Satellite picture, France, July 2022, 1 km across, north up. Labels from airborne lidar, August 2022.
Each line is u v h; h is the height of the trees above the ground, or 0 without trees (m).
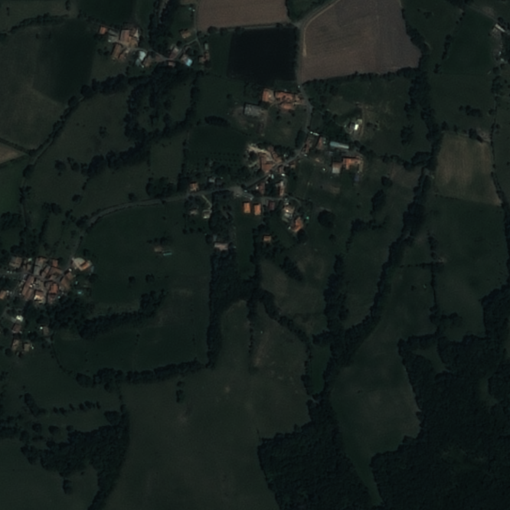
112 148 0
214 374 0
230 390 0
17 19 0
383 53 0
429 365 16
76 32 0
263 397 0
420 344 20
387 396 0
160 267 0
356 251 0
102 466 12
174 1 20
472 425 14
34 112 0
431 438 21
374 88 0
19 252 17
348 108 0
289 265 14
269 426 0
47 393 0
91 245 0
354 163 0
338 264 14
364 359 0
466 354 24
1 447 0
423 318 0
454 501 7
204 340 0
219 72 0
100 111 0
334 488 23
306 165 0
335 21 0
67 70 0
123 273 0
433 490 17
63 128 8
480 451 21
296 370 0
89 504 0
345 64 0
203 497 0
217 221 9
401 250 14
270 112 0
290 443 17
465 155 0
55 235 0
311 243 0
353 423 0
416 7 0
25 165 0
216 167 11
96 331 20
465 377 17
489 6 0
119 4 0
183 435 0
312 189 0
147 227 0
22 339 16
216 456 0
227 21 0
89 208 0
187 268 0
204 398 0
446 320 17
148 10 0
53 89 0
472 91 0
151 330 0
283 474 10
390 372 0
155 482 0
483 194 0
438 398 19
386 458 14
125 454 13
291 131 0
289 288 0
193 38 0
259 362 0
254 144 0
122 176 0
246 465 0
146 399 0
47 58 0
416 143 0
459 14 0
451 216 0
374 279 0
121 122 0
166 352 0
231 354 0
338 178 0
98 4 0
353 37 0
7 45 0
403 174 0
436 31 0
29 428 0
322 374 0
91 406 18
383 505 12
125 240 0
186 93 0
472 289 0
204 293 0
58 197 0
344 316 18
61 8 0
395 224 0
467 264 0
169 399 0
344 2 0
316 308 0
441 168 0
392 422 0
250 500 0
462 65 0
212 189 12
